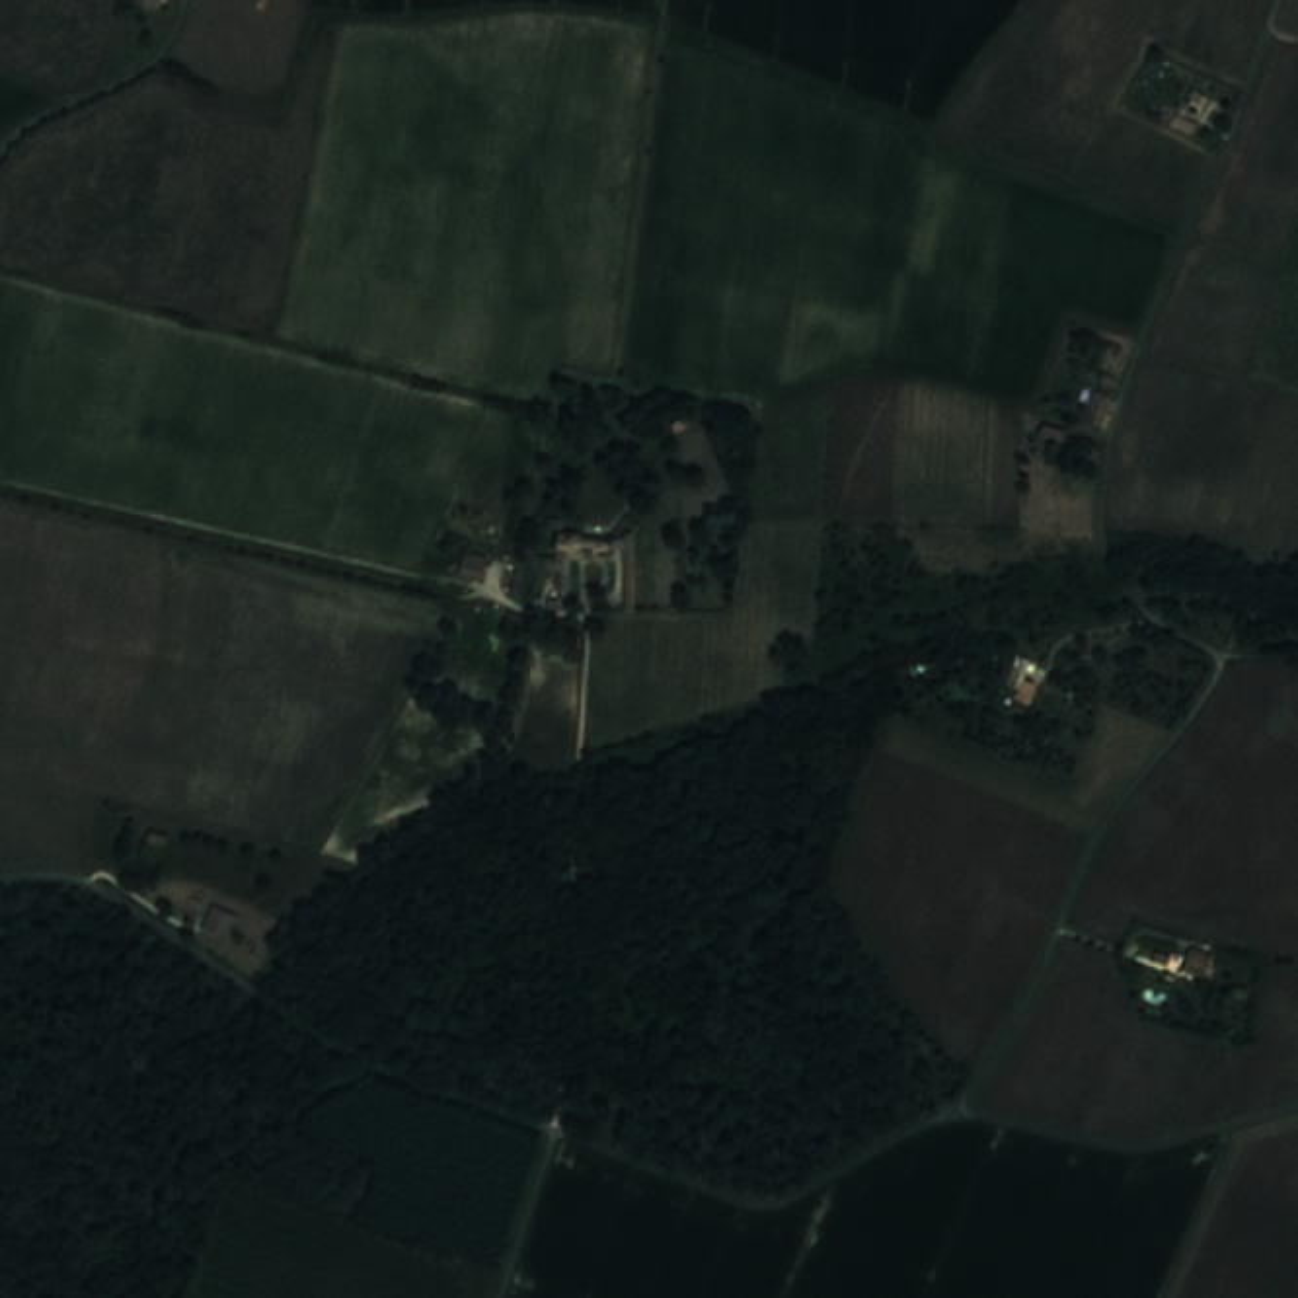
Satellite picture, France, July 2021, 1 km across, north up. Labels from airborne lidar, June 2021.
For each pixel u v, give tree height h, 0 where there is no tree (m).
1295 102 0
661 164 0
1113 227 0
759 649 0
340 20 0
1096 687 6
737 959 20
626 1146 8
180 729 0
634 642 0
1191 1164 0
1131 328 0
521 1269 0
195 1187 23
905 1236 0
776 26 0
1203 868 0
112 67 0
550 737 0
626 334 0
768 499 0
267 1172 14
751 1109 21
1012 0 0
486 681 0
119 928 18
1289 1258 0
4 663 0
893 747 0
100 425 0
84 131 0
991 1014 0
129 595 0
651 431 17
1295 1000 0
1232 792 0
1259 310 0
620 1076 10
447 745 0
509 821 15
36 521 0
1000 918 0
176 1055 23
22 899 19
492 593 0
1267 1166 0
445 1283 0
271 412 0
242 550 6
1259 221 0
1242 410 0
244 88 0
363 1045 17
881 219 0
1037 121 0
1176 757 0
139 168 0
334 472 0
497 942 23
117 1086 22
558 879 16
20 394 0
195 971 10
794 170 0
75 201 0
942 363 0
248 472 0
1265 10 0
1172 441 0
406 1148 17
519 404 6
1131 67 0
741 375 0
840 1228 0
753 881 15
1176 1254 0
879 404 0
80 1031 21
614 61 0
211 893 0
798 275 0
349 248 0
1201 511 0
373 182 0
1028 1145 0
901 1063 22
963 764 0
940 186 0
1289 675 0
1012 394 0
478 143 0
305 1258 0
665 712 0
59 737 0
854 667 11
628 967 23
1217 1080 0
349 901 18
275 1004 15
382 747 0
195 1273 13
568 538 0
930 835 0
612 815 20
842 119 0
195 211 0
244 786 0
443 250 0
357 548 0
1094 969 0
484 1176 16
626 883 19
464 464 0
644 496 21
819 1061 25
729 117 0
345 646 0
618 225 0
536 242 0
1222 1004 7
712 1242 0
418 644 0
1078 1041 0
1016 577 10
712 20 0
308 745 0
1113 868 0
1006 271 0
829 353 0
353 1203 16
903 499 0
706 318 0
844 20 0
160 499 0
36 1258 14
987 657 8
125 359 0
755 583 0
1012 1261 0
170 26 0
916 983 0
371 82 0
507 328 0
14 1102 15
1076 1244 0
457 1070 20
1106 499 0
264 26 0
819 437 0
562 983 17
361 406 0
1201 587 20
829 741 18
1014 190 0
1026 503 0
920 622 12
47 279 0
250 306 0
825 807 16
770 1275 0
